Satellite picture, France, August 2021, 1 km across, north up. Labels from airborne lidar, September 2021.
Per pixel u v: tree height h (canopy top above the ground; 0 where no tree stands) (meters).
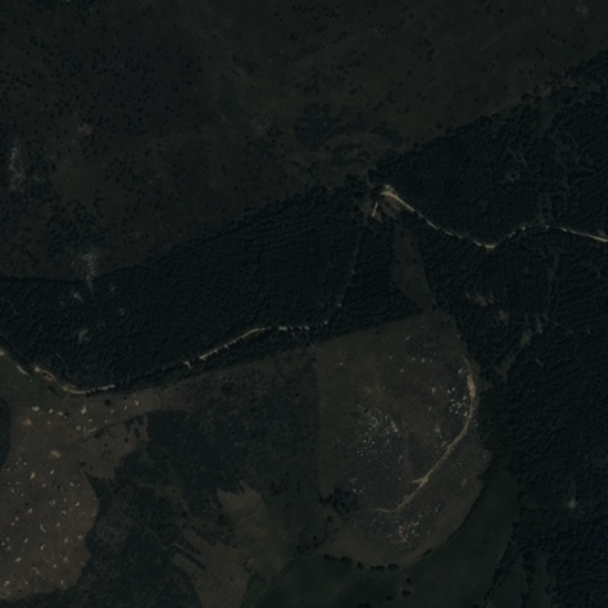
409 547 0
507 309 15
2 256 0
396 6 0
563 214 17
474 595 0
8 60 0
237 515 0
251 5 0
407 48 0
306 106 0
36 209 0
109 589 0
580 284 20
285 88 0
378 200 14
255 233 19
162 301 15
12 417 0
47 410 0
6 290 15
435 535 0
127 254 0
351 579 0
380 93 0
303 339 15
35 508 0
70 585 0
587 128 21
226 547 0
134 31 0
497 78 0
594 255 20
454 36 0
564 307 21
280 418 0
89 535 0
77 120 0
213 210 0
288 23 0
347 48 0
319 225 22
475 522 0
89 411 0
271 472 0
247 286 12
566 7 0
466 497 0
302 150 0
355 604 0
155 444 0
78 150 0
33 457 0
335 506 13
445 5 0
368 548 0
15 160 0
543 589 0
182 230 0
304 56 0
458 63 0
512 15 0
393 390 0
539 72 0
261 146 0
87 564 0
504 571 12
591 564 15
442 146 20
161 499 0
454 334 0
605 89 22
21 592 0
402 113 0
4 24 0
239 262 13
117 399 0
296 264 13
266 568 0
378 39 0
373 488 0
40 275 0
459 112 0
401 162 15
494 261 19
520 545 8
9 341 20
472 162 21
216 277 11
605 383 19
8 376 0
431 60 0
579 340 13
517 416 20
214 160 0
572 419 16
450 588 0
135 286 13
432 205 17
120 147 0
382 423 0
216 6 0
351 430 0
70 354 15
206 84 0
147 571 0
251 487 0
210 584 0
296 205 19
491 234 20
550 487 16
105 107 0
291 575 0
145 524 0
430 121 0
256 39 0
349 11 0
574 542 17
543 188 10
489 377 16
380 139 0
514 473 12
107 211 0
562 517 8
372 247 17
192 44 0
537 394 14
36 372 0
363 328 17
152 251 7
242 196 0
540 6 0
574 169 10
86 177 0
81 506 0
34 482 0
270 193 0
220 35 0
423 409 0
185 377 7
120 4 0
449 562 0
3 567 0
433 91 0
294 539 0
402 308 17
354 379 0
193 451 0
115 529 0
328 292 13
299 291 12
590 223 16
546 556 0
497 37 0
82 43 0
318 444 0
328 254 16
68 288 10
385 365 0
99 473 0
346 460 0
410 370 0
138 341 13
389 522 0
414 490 0
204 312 20
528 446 18
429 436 0
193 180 0
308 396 0
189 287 16
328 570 0
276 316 17
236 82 0
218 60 0
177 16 0
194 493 0
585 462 11
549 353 17
